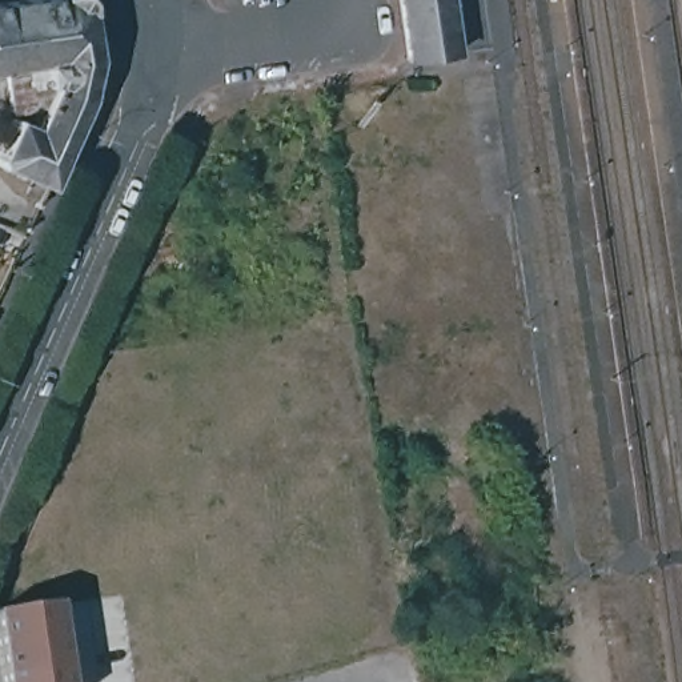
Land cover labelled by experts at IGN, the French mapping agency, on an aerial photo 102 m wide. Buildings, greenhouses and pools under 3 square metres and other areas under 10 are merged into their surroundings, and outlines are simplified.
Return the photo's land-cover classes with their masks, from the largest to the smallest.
<instances>
[{"label":"herbaceous vegetation","instance_id":"1","mask_svg":"<svg viewBox=\"0 0 682 682\"><path fill-rule=\"evenodd\" d=\"M410 75H394L386 80L365 83L349 80L346 109L354 112L360 128L346 141L352 149L349 171L357 176L360 234L365 245V261L360 269H344V258H330V290L333 298L341 304V314H314L298 328H285L282 336H216V341L189 338L144 349H120L112 354L107 370H96L83 402L77 405L75 426L64 445L61 464L45 493L48 504L35 517L29 535L21 533L11 546V562L5 567L0 586V610L8 605L59 597L72 599V605L93 599L96 594H101V599L123 597L128 639L133 647L131 682H330L325 677L328 669H341L384 653H408L410 647L397 639L394 618L402 602L400 586L416 575V565L408 562L413 546L410 541L392 538L389 517L384 512V482L376 469L378 448L373 437L368 397L381 400L386 426H400L405 434L432 432L445 442L450 461L464 464L472 424L480 418L485 424H501L509 442L525 450L527 472L535 477L533 496L541 504L543 535H549L554 533V522L551 493L546 490L543 472L549 466V458L538 448V432L533 421L517 410H509L522 394V381L533 378L530 330H525L522 325L525 298L522 290L514 285L519 272L512 264L504 218L488 213L482 202L480 168L474 160L477 155H482V147L472 141L466 85L453 75H445L440 80L434 91H410ZM352 296L365 298V322L376 341L386 330L389 320H397L410 330L405 354L394 357L386 365H376V389L370 392L362 381V360L354 341L349 306ZM277 93L264 91L234 107H216V112H210L208 117L189 112L173 125V133L192 144L186 181H192L200 168L208 152L210 133L216 128H226L240 109L248 112L250 123L261 120L269 109V101ZM16 250L0 242V290L13 269ZM448 501L453 509V530L474 527L480 533L482 527H488L493 512L474 498L469 482L450 477ZM573 581L559 578L549 583V591H535L538 610L533 613V623L535 629L557 634V642L551 645L554 655L546 661V669L565 677L573 671V645L565 639V626L573 623V610L565 605V599L570 594Z\"/></svg>","mask_w":682,"mask_h":682},{"label":"pervious surface","instance_id":"2","mask_svg":"<svg viewBox=\"0 0 682 682\"><path fill-rule=\"evenodd\" d=\"M482 37L472 43L466 48V59L445 61L434 75H440V80L445 75H453L466 85L472 141L482 147V155H477L474 160L480 168L482 202L488 213L504 218L512 264L519 272L514 285L522 290L525 298L522 325L525 330H530L533 378L522 381V394L509 410H517L533 421L538 432V448L549 458V466L543 472L546 490L551 493L554 522V533L549 535V562L559 567V578L573 581L570 594L565 599V605L573 610V623L565 626V639L573 645V671L565 677L567 682H682V0H480Z\"/></svg>","mask_w":682,"mask_h":682},{"label":"deciduous trees","instance_id":"3","mask_svg":"<svg viewBox=\"0 0 682 682\"><path fill-rule=\"evenodd\" d=\"M192 144L173 133L160 144L141 178V194L131 208L128 224L120 234V245L104 266V285L91 304V312L83 322L77 341L67 349L59 386L51 389L48 405L37 416L40 424L32 429L24 445L19 466L11 477L8 501L0 506V586L5 567L11 562V546L21 533L29 535L35 517L48 504L45 493L61 464L64 445L75 426L77 405L83 402L96 370H107L112 354L120 349L125 344L123 333L128 317L144 314L141 290L147 282V266H141V261L147 248L152 245L165 205H176L181 200V192L189 186L200 194H226L229 189H242L248 194H261L256 189L253 168H248L245 163L229 165L224 173L200 168L192 181H186ZM99 197L96 176H80L64 181V192L59 194V208L53 210V218L45 221V237L35 250V261L32 266H27L16 301L0 322V413L64 269H72L80 232ZM378 448L376 469L384 482V512L389 517L392 538L410 541L413 546L408 562L416 565V575L400 586L402 602L394 618L397 639L410 647L418 671L416 682H567L565 677L546 669V661L554 655L551 645L557 642V634L535 629L533 623V613L538 610L535 591H549V583L559 578V567L549 562V535H543L541 504L533 496L535 477L527 472L525 450L509 442L501 424H485L480 418L472 424L464 464L450 461L445 442L432 432L405 434L400 426H386L373 437ZM450 477L469 482L474 498L493 512L488 527H482L480 533L474 527L453 530V509L448 501Z\"/></svg>","mask_w":682,"mask_h":682},{"label":"impervious surface","instance_id":"4","mask_svg":"<svg viewBox=\"0 0 682 682\"><path fill-rule=\"evenodd\" d=\"M112 45V77L104 109L91 131L88 147L77 165L80 176H96L99 197L80 232L72 269H64L0 413V506L8 501L11 477L19 466L24 445L32 429L40 424L37 416L48 405L51 389L59 386L67 349L77 341L83 322L91 312V304L104 285V266L120 245V234L128 224L131 208L141 194V178L160 144L173 133V125L189 112L208 117L210 112H216V107H234L264 91L277 93L314 91L338 75H349V80L365 83L386 80L394 75H426L424 67H413V59H408L405 53L402 16L397 0H101ZM466 29L472 43L482 37L480 0H464ZM0 120L19 125H43L48 120V112L16 115L8 101L5 77H0ZM59 208V194L32 189L29 176L19 178L11 171L0 168V242L16 250L13 269L0 290V322L16 301L27 266H32L35 261V250L45 237V221L53 218V210ZM83 666L80 682H131L133 647L128 639L123 597L101 599V594H96L93 599L72 605ZM325 677L330 682H416L418 671L410 647L408 653H384L341 669H328Z\"/></svg>","mask_w":682,"mask_h":682},{"label":"brushwood","instance_id":"5","mask_svg":"<svg viewBox=\"0 0 682 682\"><path fill-rule=\"evenodd\" d=\"M349 80V75H338L314 91L277 93L269 101V109L261 120L250 123L248 112L240 109L226 128H216L210 133L208 152L200 168L224 173L229 165L245 163L248 168H253L256 189L261 194H248L242 189H229L226 194H200L189 186L181 192V200L176 205H165L152 245L147 248L141 261V266H147V282L141 290L144 314L128 317L123 333L125 344L120 349H144L189 338L216 341V336H282L285 328H298L314 314H341V304L333 298L330 290V258H344V269H360L365 261V245L360 234L357 176L349 171L352 149L346 141L360 128L354 112L346 109ZM410 91H434L440 80V75H410ZM349 306L354 341L362 360V381L370 392L376 389V365H386L394 357L405 354L410 330L397 320H389L386 330L376 341L365 322V298L352 296ZM373 437L386 426L381 400L368 397Z\"/></svg>","mask_w":682,"mask_h":682},{"label":"building","instance_id":"6","mask_svg":"<svg viewBox=\"0 0 682 682\"><path fill-rule=\"evenodd\" d=\"M0 77H5L8 101L16 115L48 112V120L43 125H19L0 120V168L11 171L19 178L29 176L32 189L59 194L64 192V181L80 176L77 165L88 147L91 131L104 109L112 77V45L101 0H0ZM402 16L405 53L408 59H413V67H424L426 75H434L445 61L466 59V48L472 43L466 29L464 0H397ZM83 666L72 605V599L59 597L8 605L0 610V682H80Z\"/></svg>","mask_w":682,"mask_h":682}]
</instances>
